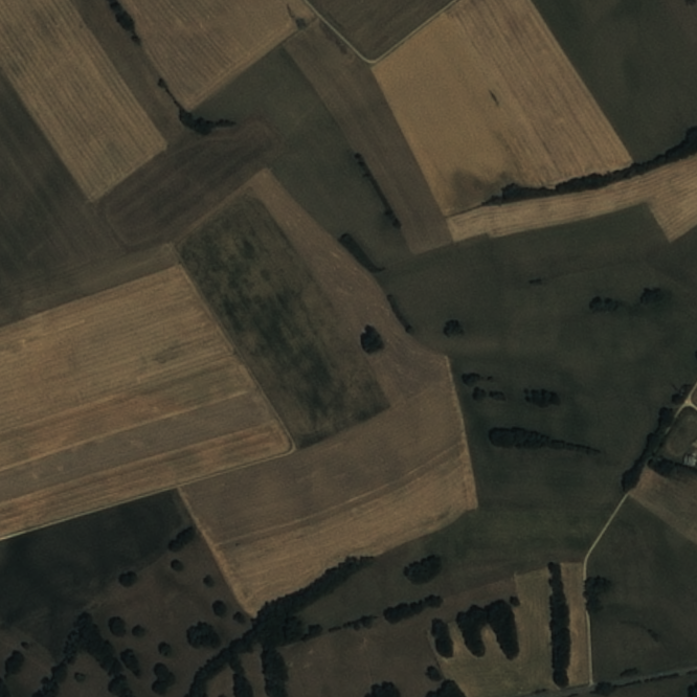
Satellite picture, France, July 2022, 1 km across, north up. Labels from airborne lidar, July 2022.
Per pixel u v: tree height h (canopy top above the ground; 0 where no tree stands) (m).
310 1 0
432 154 0
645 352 0
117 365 0
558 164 0
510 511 0
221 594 0
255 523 0
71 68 0
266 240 0
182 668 0
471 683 0
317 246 0
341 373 0
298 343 0
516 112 0
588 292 0
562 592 11
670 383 0
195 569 0
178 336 0
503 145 0
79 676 8
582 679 0
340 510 0
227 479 0
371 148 0
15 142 0
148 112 0
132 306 0
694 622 0
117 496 0
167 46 0
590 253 0
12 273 0
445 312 0
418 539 0
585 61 0
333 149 0
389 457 0
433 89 0
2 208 0
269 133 0
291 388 0
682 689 0
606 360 0
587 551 0
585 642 0
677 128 0
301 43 0
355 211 0
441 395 0
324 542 0
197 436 0
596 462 0
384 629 0
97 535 0
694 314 0
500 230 0
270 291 0
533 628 0
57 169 0
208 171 0
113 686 13
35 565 0
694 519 0
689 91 0
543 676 0
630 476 16
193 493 0
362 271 0
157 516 0
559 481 0
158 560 0
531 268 0
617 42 0
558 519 0
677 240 0
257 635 16
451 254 0
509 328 0
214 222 0
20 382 0
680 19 0
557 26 0
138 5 0
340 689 0
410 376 0
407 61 0
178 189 0
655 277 0
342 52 0
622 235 0
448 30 0
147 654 0
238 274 0
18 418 0
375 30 0
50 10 0
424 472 0
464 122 0
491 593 0
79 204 0
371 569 0
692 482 0
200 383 0
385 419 0
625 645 0
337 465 0
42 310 0
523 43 0
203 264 0
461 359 0
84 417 0
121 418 0
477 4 0
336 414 0
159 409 0
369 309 0
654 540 0
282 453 0
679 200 0
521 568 0
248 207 0
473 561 0
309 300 0
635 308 0
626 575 0
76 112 0
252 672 0
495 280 0
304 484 0
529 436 18
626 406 0
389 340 0
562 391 0
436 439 0
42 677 0
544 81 0
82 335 0
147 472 0
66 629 0
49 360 0
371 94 0
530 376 0
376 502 0
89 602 0
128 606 0
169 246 0
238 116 0
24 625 0
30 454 0
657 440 14
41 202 0
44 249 0
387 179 0
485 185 0
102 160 0
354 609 0
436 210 0
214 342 0
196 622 0
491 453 0
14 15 0
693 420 0
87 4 0
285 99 0
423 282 0
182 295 0
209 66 0
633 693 0
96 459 0
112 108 0
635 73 0
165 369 0
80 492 0
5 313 0
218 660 17
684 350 0
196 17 0
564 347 0
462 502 0
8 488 0
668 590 0
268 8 0
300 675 0
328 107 0
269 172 0
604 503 0
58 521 0
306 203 0
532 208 0
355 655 0
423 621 0
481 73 0
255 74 0
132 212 0
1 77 0
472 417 0
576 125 0
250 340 0
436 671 14
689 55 0
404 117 0
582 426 0
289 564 0
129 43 0
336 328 0
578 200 0
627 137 0
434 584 0
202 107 0
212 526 0
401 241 0
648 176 0
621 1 0
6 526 0
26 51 0
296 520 0
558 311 0
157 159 0
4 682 12
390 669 0
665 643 0
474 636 17
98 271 0
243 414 0
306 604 15
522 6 0
